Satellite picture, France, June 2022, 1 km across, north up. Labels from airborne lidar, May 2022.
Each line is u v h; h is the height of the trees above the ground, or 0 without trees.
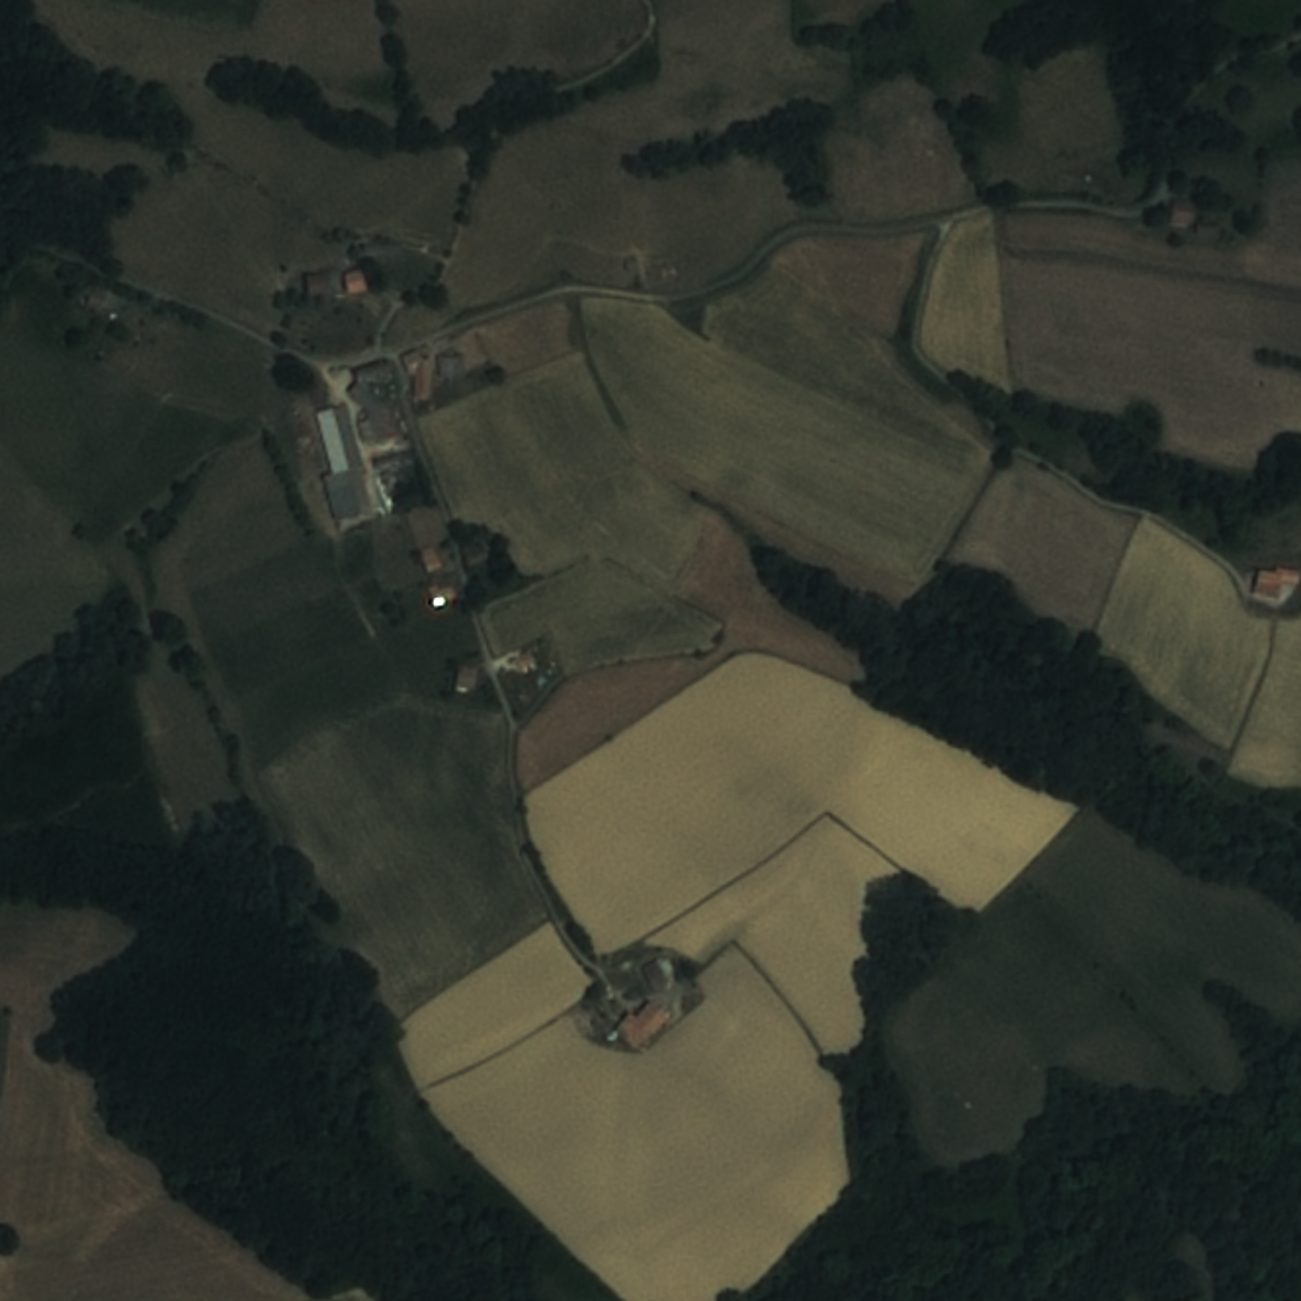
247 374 0
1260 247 0
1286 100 0
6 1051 0
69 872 22
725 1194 0
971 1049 0
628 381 0
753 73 0
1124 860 0
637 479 0
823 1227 9
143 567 0
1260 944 0
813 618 14
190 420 0
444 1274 21
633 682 0
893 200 0
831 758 0
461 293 0
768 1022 0
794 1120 0
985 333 0
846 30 9
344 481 0
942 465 0
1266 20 0
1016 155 0
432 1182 0
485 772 0
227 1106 16
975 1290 18
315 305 15
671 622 0
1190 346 0
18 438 0
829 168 0
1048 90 0
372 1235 13
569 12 0
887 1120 15
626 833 0
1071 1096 17
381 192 0
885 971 23
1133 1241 13
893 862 0
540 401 0
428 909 0
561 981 0
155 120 13
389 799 0
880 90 0
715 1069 0
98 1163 0
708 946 0
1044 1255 28
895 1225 23
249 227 0
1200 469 16
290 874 23
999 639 25
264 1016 20
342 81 0
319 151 0
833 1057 9
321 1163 11
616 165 0
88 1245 0
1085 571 0
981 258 0
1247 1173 22
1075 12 24
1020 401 16
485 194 0
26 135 29
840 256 0
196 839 18
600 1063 0
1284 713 0
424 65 0
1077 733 28
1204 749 0
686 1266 0
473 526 9
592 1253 0
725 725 0
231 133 0
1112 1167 33
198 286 0
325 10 0
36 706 17
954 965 0
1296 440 15
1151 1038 0
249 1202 17
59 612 0
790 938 0
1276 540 0
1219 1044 0
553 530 0
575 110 10
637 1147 0
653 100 0
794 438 0
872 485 0
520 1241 12
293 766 0
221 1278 0
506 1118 0
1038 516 0
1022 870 0
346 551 0
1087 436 16
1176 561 0
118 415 0
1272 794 8
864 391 0
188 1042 15
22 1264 0
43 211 22
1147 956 0
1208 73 19
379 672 0
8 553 0
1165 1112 19
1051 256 0
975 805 0
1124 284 0
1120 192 0
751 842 0
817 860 0
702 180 0
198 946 16
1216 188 17
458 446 0
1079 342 0
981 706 27
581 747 0
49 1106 0
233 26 0
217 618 0
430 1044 0
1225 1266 15
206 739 0
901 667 22
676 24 0
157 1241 0
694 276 0
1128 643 0
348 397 0
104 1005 20
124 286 6
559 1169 0
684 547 0
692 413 0
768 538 0
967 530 0
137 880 20
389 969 0
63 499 0
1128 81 16
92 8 0
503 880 0
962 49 0
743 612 0
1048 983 0
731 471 0
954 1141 0
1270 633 0
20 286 15
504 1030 0
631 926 0
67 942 0
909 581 0
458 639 0
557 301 0
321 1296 17
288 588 0
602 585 0
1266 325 0
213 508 0
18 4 21
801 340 0
